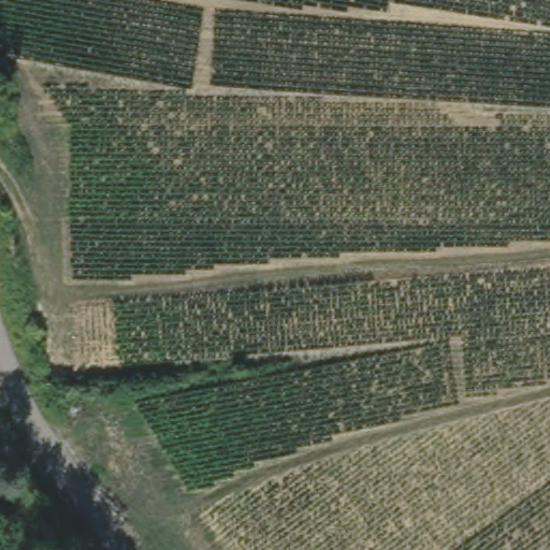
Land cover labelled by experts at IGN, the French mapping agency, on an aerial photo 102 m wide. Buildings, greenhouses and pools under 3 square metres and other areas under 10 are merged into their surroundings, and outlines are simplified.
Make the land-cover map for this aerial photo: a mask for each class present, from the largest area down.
<instances>
[{"label":"vineyard","instance_id":"1","mask_svg":"<svg viewBox=\"0 0 550 550\"><path fill-rule=\"evenodd\" d=\"M0 9L4 24L19 26V30L24 32L19 58L168 84L165 90H90L86 82H69L67 88H58V82L52 75L43 84V88L69 122V228L73 279H129L131 275H178L189 269H211L215 264H262L275 258H322L339 256L344 251H430L436 247H501L509 245L511 241H550V0H0ZM374 273H346L324 277H299L290 281L251 284L238 286L234 290L185 288L180 292H129L116 294L112 303L107 299L75 301L73 312L64 314H56L54 305L39 301L37 309L47 322L45 348L49 361L54 363L52 367H47L45 382L56 387H84L99 389L101 393H114L122 385H153L161 380H178L183 389L170 391L165 395H153L138 404L142 415L150 423L153 432L157 434L159 445L172 453V464L178 468L180 477L185 479V486L189 488H208L217 479L230 477L236 468H251L254 473L264 466L279 464L284 460L288 462L292 458L320 451L327 447H335L337 451L320 460L286 468L277 475L262 477L251 486H245L241 490L223 494L217 501H211L200 518L215 533L213 539H204L196 529H191V518L180 513V533L185 541L191 546V550H550V269L503 273L479 271L471 273L468 277L449 275L447 279L436 275L419 279V275L413 273L410 281H397L395 286H370Z\"/></svg>","mask_w":550,"mask_h":550},{"label":"herbaceous vegetation","instance_id":"2","mask_svg":"<svg viewBox=\"0 0 550 550\"><path fill-rule=\"evenodd\" d=\"M24 32L19 30V26L4 24L0 9V67L2 75L13 77L17 73V77L26 82V88L21 90L19 99L17 131L26 133L32 144L34 165L30 180H19L6 165V161L0 157V185L19 217L28 258L32 262V277L39 286V301L54 305L56 314H64L73 312L75 301L107 299L112 303L116 294L129 292H180L185 288L234 290L238 286L251 284L290 281L299 277H324L346 273H374L370 286H395L397 281H410L413 273L419 275V279L436 275L447 279L449 275L468 277L471 273L479 271L503 273L550 269V241H511L509 245L501 247H436L430 251H344L339 256L322 258H275L262 264H215L211 269H189L178 275H131L129 279H73L69 228V122L43 88V84L52 75L58 82V88H67L69 82H86L90 90H165L168 84L19 58ZM56 434L69 438L75 447L82 449L79 466L92 471L99 477L92 498L107 505L112 526L129 535L135 541L138 550H191V546L185 541L180 533V513L191 518V529H196L204 539H213L215 533L200 518L211 501H217L223 494L241 490L245 486H251L262 477L277 475L286 468L320 460L337 451L335 447H327L320 451L292 458L288 462L284 460L279 464L264 466L254 473L251 468H236L230 477L217 479L208 488H189L185 486V479L180 477L178 468L172 464V453L159 445L157 434L153 432L150 423L142 415L138 404L118 410L101 404L77 402L69 410L64 421L49 423Z\"/></svg>","mask_w":550,"mask_h":550},{"label":"brushwood","instance_id":"3","mask_svg":"<svg viewBox=\"0 0 550 550\"><path fill-rule=\"evenodd\" d=\"M0 157L6 161V165L19 180H30L34 165L32 144L26 133L17 131L11 138L0 140ZM39 301V286L32 277V262L28 258L19 217L0 185V316L17 359V370L26 372V376L30 378L32 404L49 423L64 421L69 410L77 402L101 404L118 410L138 404L153 395H165L170 391L183 389L178 380H161L153 385H122L114 393H101L99 389L84 387H56L45 382L47 367H52L54 363L49 361L45 348L47 322L37 309Z\"/></svg>","mask_w":550,"mask_h":550},{"label":"impervious surface","instance_id":"4","mask_svg":"<svg viewBox=\"0 0 550 550\"><path fill-rule=\"evenodd\" d=\"M0 451L9 455L17 466H24L41 475L49 483L52 494L58 501L60 511L67 520L69 533L88 535L95 541L97 550H138L135 541L129 535L112 526L107 505L92 498L99 477L92 471L79 466L82 449L75 447L69 438L56 434L49 423L32 404L30 378L26 376V372L17 370V359L0 316Z\"/></svg>","mask_w":550,"mask_h":550},{"label":"coniferous trees","instance_id":"5","mask_svg":"<svg viewBox=\"0 0 550 550\"><path fill-rule=\"evenodd\" d=\"M0 516L24 524V539L19 550H97L95 541L88 535L69 533L67 520L60 511L58 501L52 494L49 483L41 475L24 466H17L9 455L0 451Z\"/></svg>","mask_w":550,"mask_h":550},{"label":"deciduous trees","instance_id":"6","mask_svg":"<svg viewBox=\"0 0 550 550\"><path fill-rule=\"evenodd\" d=\"M26 88V82L17 77V73L13 77L2 75L0 67V140L11 138L17 131L19 99L21 90ZM24 539V524L0 516V550H19Z\"/></svg>","mask_w":550,"mask_h":550}]
</instances>
